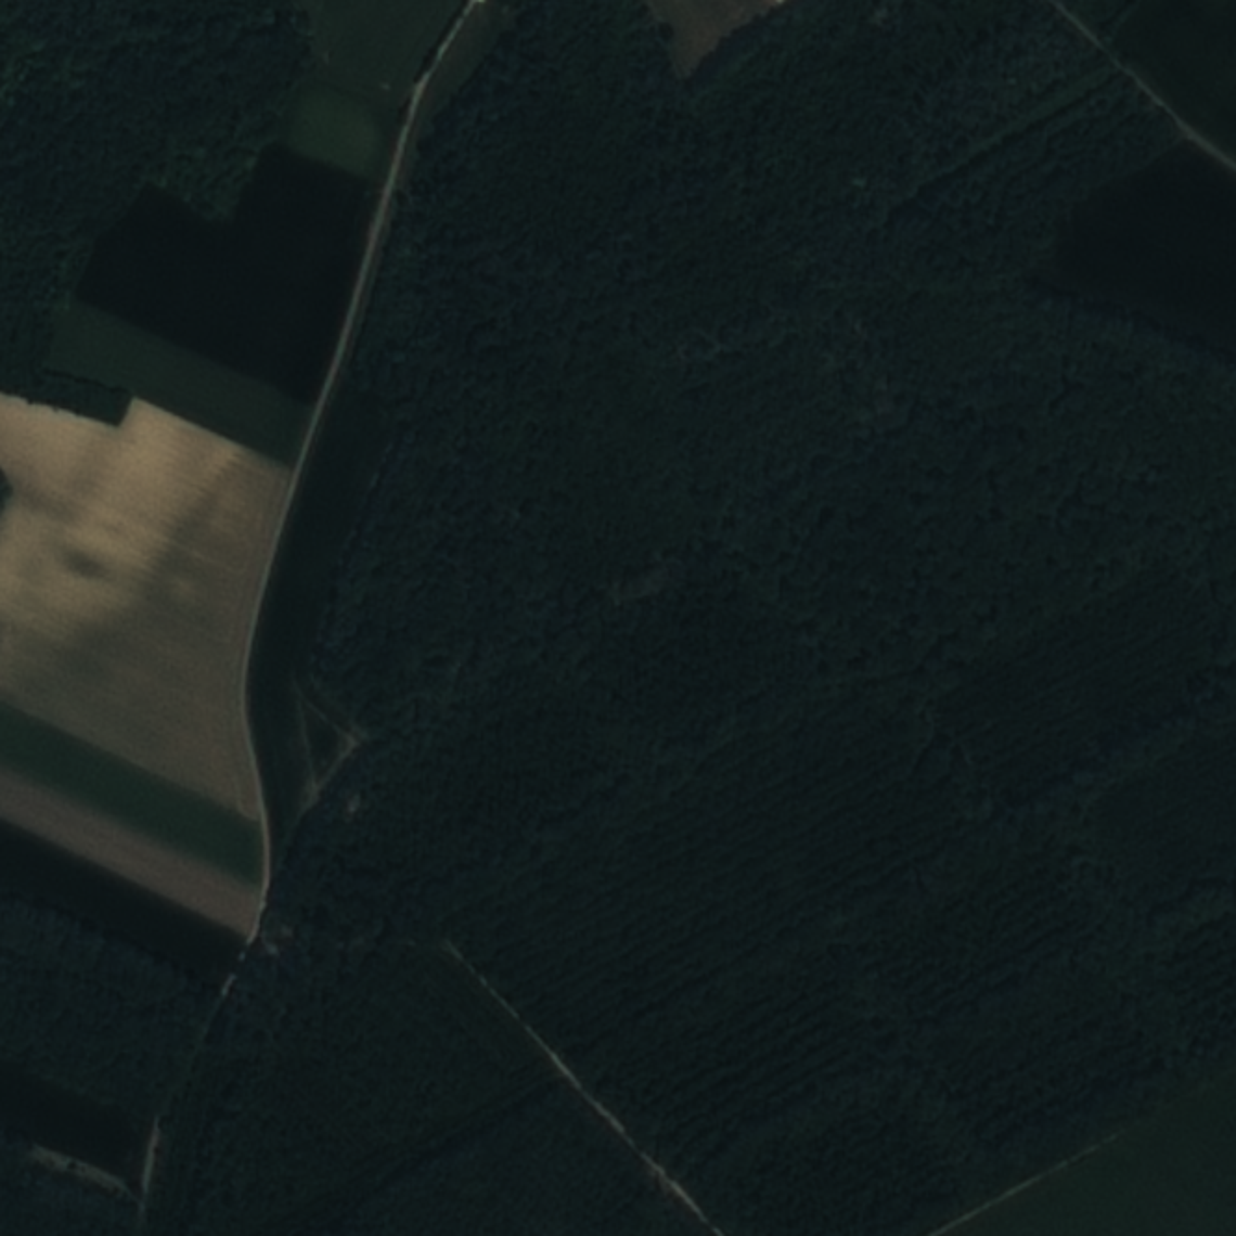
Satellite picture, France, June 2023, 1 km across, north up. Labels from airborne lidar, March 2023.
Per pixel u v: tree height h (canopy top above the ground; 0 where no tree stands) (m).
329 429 0
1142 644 7
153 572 0
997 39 8
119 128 22
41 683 0
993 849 21
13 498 0
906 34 16
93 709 0
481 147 19
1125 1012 13
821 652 14
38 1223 25
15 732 0
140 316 0
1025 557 22
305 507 0
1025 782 8
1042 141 8
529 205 13
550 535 17
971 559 24
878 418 21
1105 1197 0
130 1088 21
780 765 20
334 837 17
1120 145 17
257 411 0
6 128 18
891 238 20
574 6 19
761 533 20
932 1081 23
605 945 20
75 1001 20
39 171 22
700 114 12
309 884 23
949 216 24
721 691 16
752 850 19
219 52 21
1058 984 18
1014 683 6
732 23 0
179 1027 17
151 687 0
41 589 0
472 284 25
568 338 11
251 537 0
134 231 0
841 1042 12
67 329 0
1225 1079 0
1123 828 10
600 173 11
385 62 0
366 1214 15
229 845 0
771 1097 11
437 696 18
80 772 0
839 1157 14
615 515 13
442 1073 19
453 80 0
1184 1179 0
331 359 0
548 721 15
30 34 18
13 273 9
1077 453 25
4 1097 0
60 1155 0
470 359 21
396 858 8
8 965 14
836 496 25
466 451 22
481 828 13
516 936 21
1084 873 19
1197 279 0
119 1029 23
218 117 13
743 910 18
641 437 12
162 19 12
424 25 0
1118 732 9
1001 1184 21
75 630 0
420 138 0
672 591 13
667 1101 15
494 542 23
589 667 15
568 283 19
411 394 19
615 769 13
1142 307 0
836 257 20
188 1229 18
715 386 11
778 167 10
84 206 20
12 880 0
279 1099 18
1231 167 0
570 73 11
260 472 0
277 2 8
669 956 21
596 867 14
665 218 22
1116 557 28
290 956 24
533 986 20
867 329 11
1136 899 11
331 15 0
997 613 24
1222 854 11
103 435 0
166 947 0
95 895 0
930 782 20
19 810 0
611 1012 22
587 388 11
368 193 0
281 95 8
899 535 26
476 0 0
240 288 0
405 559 19
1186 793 12
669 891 13
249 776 0
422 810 11
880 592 25
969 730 8
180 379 0
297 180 0
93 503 0
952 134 13
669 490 13
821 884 17
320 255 0
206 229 0
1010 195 21
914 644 24
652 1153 20
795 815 21
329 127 0
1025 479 26
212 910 0
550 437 15
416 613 22
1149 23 0
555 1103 16
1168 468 19
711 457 20
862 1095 17
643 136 14
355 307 0
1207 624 8
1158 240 0
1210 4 0
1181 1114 0
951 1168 19
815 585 21
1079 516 27
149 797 0
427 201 15
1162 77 0
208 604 0
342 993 16
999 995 25
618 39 9
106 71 21
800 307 20
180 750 0
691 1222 19
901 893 20
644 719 16
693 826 22
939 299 10
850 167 16
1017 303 23
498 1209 20
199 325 0
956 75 17
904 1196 15
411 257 7
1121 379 22
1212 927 14
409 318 9
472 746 15
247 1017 27
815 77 14
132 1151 0
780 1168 7
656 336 19
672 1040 12
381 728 13
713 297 7
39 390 8
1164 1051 20
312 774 0
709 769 22
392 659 22
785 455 13
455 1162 22
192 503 0
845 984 9
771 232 18
